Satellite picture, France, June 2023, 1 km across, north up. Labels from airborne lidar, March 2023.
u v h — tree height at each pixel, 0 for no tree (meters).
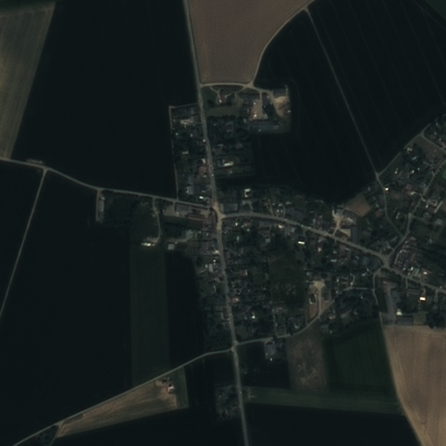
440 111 0
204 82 0
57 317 0
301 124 0
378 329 0
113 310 0
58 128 0
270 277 0
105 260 0
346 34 0
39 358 0
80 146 0
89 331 0
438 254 10
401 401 0
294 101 0
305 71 0
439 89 0
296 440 0
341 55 0
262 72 0
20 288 0
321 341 0
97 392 0
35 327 0
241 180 0
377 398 0
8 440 0
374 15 0
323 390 0
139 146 0
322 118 0
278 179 0
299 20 0
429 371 0
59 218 0
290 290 0
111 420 0
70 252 0
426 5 0
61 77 0
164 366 0
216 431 0
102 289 0
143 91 0
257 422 0
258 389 0
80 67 0
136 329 0
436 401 0
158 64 0
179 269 0
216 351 0
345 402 0
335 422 0
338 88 0
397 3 0
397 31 0
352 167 0
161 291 0
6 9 0
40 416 0
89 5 0
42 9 0
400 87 0
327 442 0
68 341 0
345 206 0
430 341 0
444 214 0
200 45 0
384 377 0
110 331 0
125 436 0
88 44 0
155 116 0
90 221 0
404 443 0
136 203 8
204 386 0
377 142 0
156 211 0
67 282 0
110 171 0
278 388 0
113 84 0
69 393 0
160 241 0
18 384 0
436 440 0
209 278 0
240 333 0
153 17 0
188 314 0
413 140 0
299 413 0
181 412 0
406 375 0
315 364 0
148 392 0
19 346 0
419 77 0
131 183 0
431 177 0
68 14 0
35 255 0
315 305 0
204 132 0
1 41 0
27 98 0
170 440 0
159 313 0
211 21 0
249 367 0
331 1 0
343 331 7
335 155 0
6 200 0
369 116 0
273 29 0
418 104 0
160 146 0
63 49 0
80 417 0
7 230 0
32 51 0
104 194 8
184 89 0
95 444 0
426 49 0
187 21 0
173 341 0
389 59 0
